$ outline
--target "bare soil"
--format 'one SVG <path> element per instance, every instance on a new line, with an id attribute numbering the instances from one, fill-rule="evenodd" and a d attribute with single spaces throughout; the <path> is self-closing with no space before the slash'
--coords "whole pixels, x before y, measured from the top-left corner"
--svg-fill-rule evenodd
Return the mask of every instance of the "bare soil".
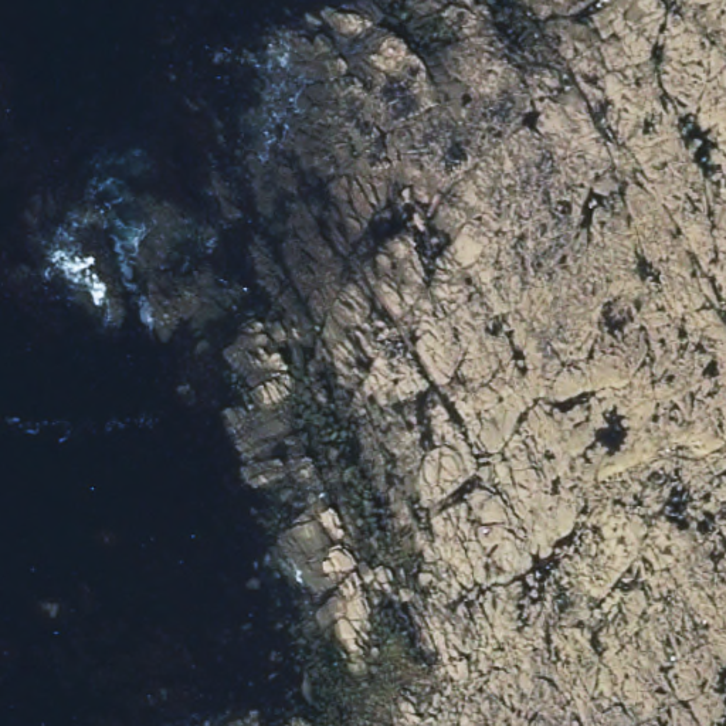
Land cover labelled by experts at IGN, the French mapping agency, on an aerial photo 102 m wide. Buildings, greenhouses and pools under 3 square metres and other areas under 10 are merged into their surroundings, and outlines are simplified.
<path id="1" fill-rule="evenodd" d="M 252 709 L 241 720 L 233 720 L 227 726 L 726 726 L 726 0 L 522 0 L 536 9 L 550 40 L 545 45 L 527 45 L 525 51 L 508 51 L 488 23 L 488 6 L 476 6 L 474 0 L 408 0 L 414 11 L 437 11 L 457 34 L 462 34 L 457 48 L 425 54 L 423 60 L 411 54 L 403 40 L 389 37 L 372 20 L 340 14 L 335 9 L 306 14 L 306 20 L 295 31 L 278 31 L 278 37 L 272 37 L 264 51 L 241 54 L 241 62 L 252 65 L 255 71 L 264 71 L 267 82 L 261 108 L 250 108 L 244 113 L 250 130 L 261 139 L 258 153 L 247 159 L 255 182 L 258 213 L 269 213 L 272 196 L 281 190 L 292 190 L 295 176 L 303 167 L 315 167 L 326 179 L 332 196 L 340 201 L 343 218 L 352 233 L 363 233 L 372 218 L 391 216 L 400 216 L 406 221 L 406 233 L 397 241 L 386 244 L 383 252 L 374 261 L 369 261 L 363 272 L 354 275 L 352 286 L 343 286 L 335 272 L 323 272 L 323 292 L 315 292 L 309 298 L 315 320 L 306 320 L 301 329 L 281 329 L 278 323 L 252 323 L 224 352 L 227 363 L 238 366 L 247 374 L 247 383 L 258 391 L 252 403 L 227 408 L 224 420 L 241 454 L 241 479 L 252 488 L 261 488 L 269 496 L 269 508 L 250 508 L 252 522 L 258 522 L 278 542 L 272 550 L 264 553 L 264 564 L 278 567 L 278 579 L 284 573 L 292 576 L 303 590 L 303 618 L 289 630 L 295 641 L 295 672 L 303 678 L 298 686 L 286 689 L 286 706 L 292 712 L 267 706 L 258 715 Z"/>

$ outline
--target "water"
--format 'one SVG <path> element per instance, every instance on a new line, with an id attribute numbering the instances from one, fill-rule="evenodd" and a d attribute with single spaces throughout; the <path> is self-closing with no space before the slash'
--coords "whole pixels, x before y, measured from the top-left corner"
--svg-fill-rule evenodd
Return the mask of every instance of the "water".
<path id="1" fill-rule="evenodd" d="M 522 0 L 474 0 L 476 6 L 488 6 L 488 23 L 508 51 L 525 51 L 527 45 L 545 45 L 550 40 L 536 9 Z"/>
<path id="2" fill-rule="evenodd" d="M 252 65 L 241 62 L 241 54 L 264 51 L 272 37 L 278 37 L 278 31 L 295 31 L 306 20 L 306 14 L 335 9 L 340 14 L 372 20 L 389 37 L 403 40 L 411 54 L 423 60 L 425 54 L 457 48 L 462 34 L 457 34 L 437 11 L 414 11 L 408 0 L 0 0 L 0 726 L 227 726 L 233 720 L 241 720 L 252 709 L 258 715 L 267 706 L 292 712 L 286 706 L 286 689 L 298 686 L 303 678 L 295 672 L 295 641 L 289 630 L 303 618 L 303 590 L 292 576 L 284 573 L 278 579 L 278 567 L 264 564 L 264 553 L 272 550 L 278 542 L 258 522 L 252 522 L 250 508 L 269 508 L 269 496 L 261 488 L 252 488 L 241 479 L 241 454 L 224 420 L 227 408 L 252 403 L 258 391 L 247 383 L 247 374 L 238 366 L 227 363 L 224 352 L 252 323 L 278 323 L 281 329 L 301 329 L 306 320 L 315 320 L 309 298 L 315 292 L 323 292 L 323 272 L 335 272 L 343 286 L 352 286 L 354 275 L 363 272 L 369 261 L 374 261 L 383 252 L 386 244 L 397 241 L 406 233 L 406 221 L 400 216 L 391 216 L 372 218 L 363 233 L 352 233 L 343 218 L 340 201 L 332 196 L 326 179 L 315 167 L 303 167 L 295 176 L 292 190 L 281 190 L 272 196 L 269 213 L 258 213 L 255 182 L 247 159 L 258 153 L 261 139 L 250 130 L 244 113 L 250 108 L 261 108 L 267 82 L 264 71 L 255 71 Z"/>

